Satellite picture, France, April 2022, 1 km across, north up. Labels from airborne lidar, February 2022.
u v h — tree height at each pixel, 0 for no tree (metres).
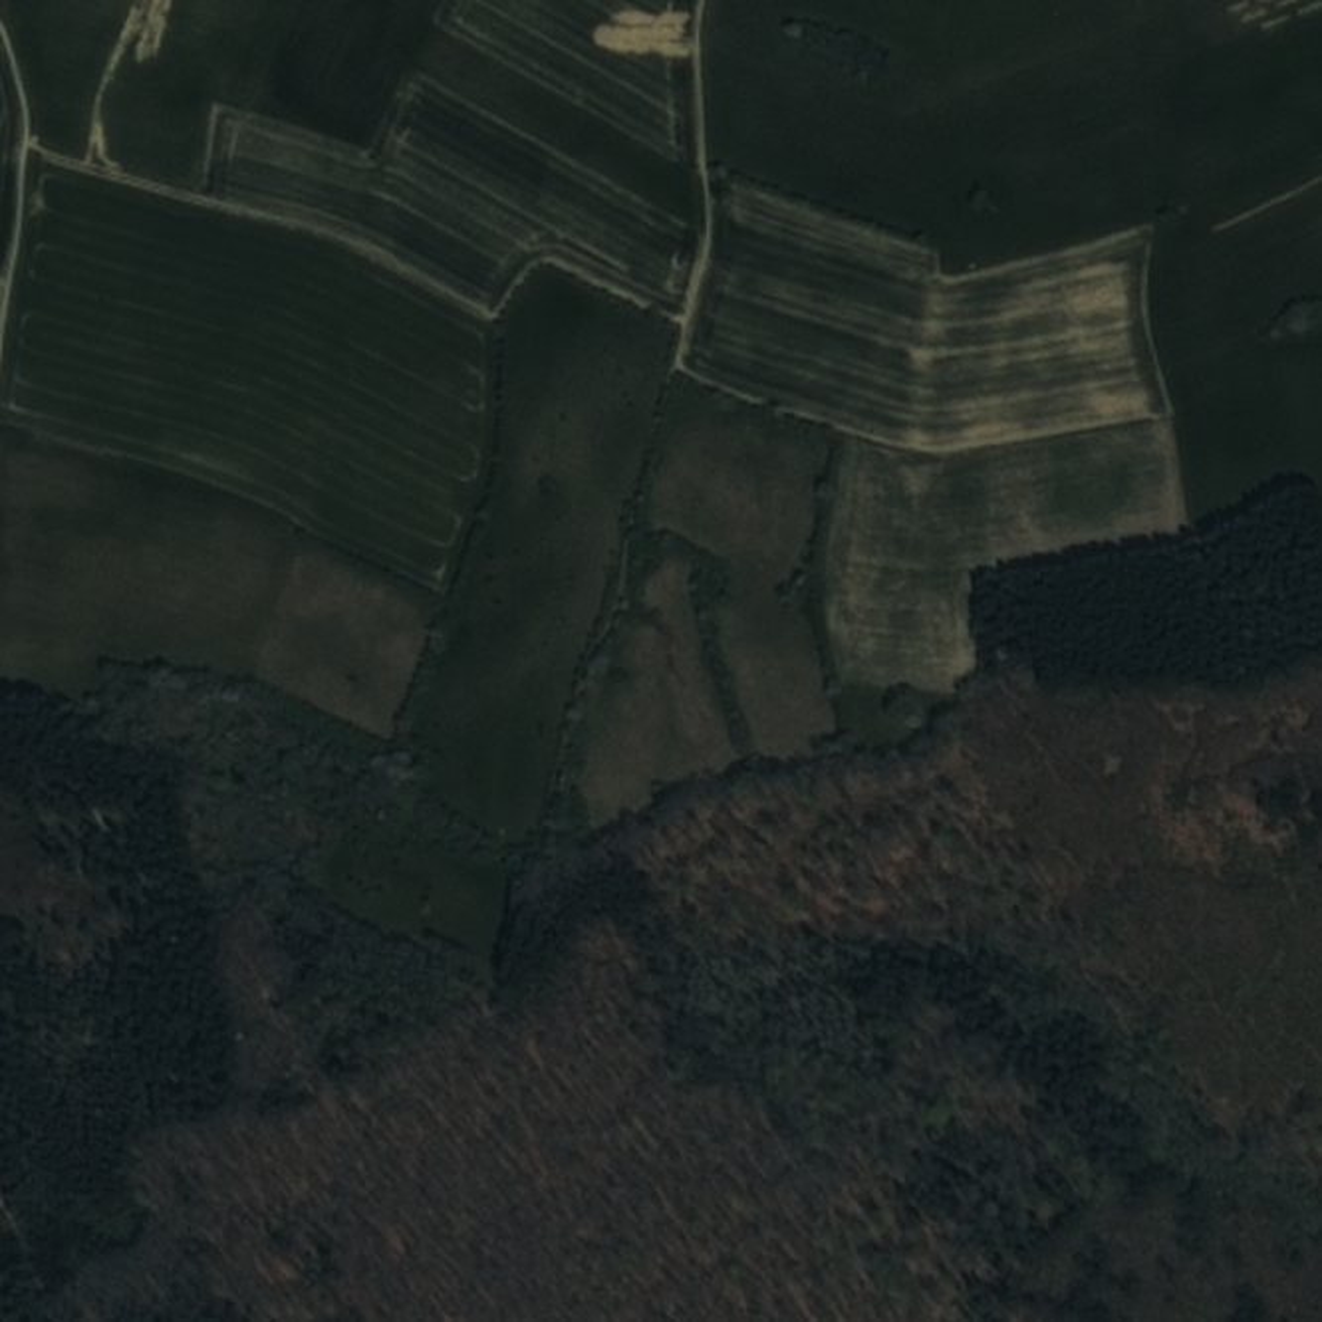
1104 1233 20
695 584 7
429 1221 29
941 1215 28
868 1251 27
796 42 7
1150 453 0
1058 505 0
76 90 0
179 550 0
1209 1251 23
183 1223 29
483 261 0
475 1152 30
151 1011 35
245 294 0
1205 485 0
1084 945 20
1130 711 16
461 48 0
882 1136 27
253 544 0
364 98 0
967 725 21
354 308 0
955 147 0
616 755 0
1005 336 0
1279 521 26
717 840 32
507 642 0
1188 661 29
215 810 8
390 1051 26
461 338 0
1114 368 0
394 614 0
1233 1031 10
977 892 33
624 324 0
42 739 30
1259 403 0
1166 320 0
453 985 26
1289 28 0
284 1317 30
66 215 0
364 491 0
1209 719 11
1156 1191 22
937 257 0
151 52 0
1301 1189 15
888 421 0
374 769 11
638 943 27
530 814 0
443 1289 28
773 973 30
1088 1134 37
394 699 0
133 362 0
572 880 26
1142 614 31
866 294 0
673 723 0
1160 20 0
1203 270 0
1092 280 0
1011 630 20
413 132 0
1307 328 14
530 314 0
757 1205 28
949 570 0
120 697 11
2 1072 29
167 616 0
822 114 0
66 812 34
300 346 0
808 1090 21
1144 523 0
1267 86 0
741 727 7
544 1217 24
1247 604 26
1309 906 13
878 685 0
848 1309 26
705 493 0
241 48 0
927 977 38
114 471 0
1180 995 13
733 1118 26
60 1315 30
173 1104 30
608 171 0
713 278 0
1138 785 12
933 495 0
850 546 0
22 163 0
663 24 0
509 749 0
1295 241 0
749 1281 25
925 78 0
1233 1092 13
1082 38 0
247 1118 28
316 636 0
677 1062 19
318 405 0
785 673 0
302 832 14
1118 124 0
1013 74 0
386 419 0
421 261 0
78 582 0
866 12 0
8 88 0
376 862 7
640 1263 26
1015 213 0
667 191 0
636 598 6
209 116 0
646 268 0
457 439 0
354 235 0
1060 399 0
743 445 0
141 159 0
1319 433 0
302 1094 29
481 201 0
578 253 0
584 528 0
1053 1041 34
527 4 0
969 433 0
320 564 0
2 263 0
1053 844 12
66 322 0
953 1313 31
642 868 27
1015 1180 31
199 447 0
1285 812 15
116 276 0
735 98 0
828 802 31
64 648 0
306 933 22
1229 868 6
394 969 26
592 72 0
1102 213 0
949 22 0
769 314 0
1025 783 15
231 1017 36
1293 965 14
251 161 0
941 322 0
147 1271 35
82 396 0
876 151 0
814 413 0
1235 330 0
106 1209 25
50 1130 27
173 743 21
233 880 20
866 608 0
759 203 0
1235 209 0
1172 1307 24
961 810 34
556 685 0
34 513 0
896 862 37
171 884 35
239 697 18
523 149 0
